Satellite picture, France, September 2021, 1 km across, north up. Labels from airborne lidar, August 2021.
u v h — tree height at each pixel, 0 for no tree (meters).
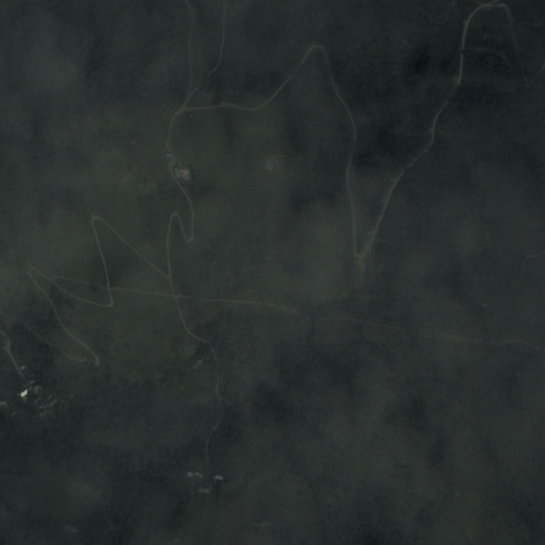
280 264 6
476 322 0
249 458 0
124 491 0
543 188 0
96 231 0
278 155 0
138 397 16
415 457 0
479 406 0
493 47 0
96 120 0
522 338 0
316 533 0
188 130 0
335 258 0
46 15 10
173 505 10
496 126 10
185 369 9
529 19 0
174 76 10
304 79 8
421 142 9
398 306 8
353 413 0
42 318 14
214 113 0
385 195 0
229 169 0
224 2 0
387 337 0
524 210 0
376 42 8
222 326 0
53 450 14
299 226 0
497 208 0
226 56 0
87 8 15
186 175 0
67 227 0
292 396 0
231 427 6
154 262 0
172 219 0
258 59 0
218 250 0
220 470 0
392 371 8
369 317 9
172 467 11
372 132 11
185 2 0
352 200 0
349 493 11
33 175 0
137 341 0
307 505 0
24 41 20
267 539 0
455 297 8
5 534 12
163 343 0
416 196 7
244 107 0
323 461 15
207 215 0
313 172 0
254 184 0
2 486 0
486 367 0
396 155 10
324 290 0
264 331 0
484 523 0
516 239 0
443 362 0
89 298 0
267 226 0
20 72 17
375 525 10
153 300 0
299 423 5
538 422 0
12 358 0
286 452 9
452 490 0
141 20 20
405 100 0
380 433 0
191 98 0
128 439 0
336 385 5
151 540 0
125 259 0
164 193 8
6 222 0
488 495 0
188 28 0
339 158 9
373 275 0
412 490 13
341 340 0
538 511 0
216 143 0
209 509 0
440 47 0
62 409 11
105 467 8
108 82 6
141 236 0
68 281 0
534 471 0
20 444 6
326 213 0
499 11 0
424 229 9
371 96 0
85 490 0
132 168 7
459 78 0
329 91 0
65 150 10
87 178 0
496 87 0
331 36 9
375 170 8
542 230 0
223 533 0
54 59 21
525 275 0
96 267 0
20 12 17
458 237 6
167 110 0
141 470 14
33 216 0
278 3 0
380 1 0
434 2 0
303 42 6
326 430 0
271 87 12
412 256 10
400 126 10
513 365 0
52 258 0
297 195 0
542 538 0
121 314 0
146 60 14
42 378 9
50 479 0
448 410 0
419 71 12
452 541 0
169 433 6
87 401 18
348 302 7
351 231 0
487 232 0
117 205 0
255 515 0
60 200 0
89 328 6
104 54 9
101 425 17
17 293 7
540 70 0
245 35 0
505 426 0
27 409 7
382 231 7
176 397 8
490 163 10
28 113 12
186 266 0
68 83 17
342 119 0
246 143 0
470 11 0
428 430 0
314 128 0
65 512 0
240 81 8
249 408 0
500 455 0
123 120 0
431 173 8
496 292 9
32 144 11
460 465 0
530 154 0
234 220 0
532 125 0
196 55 0
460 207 0
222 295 0
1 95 13
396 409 0
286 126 0
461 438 0
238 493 0
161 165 0
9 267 7
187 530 0
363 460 7
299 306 11
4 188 0
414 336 6
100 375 9
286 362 9
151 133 0
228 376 8
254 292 0
